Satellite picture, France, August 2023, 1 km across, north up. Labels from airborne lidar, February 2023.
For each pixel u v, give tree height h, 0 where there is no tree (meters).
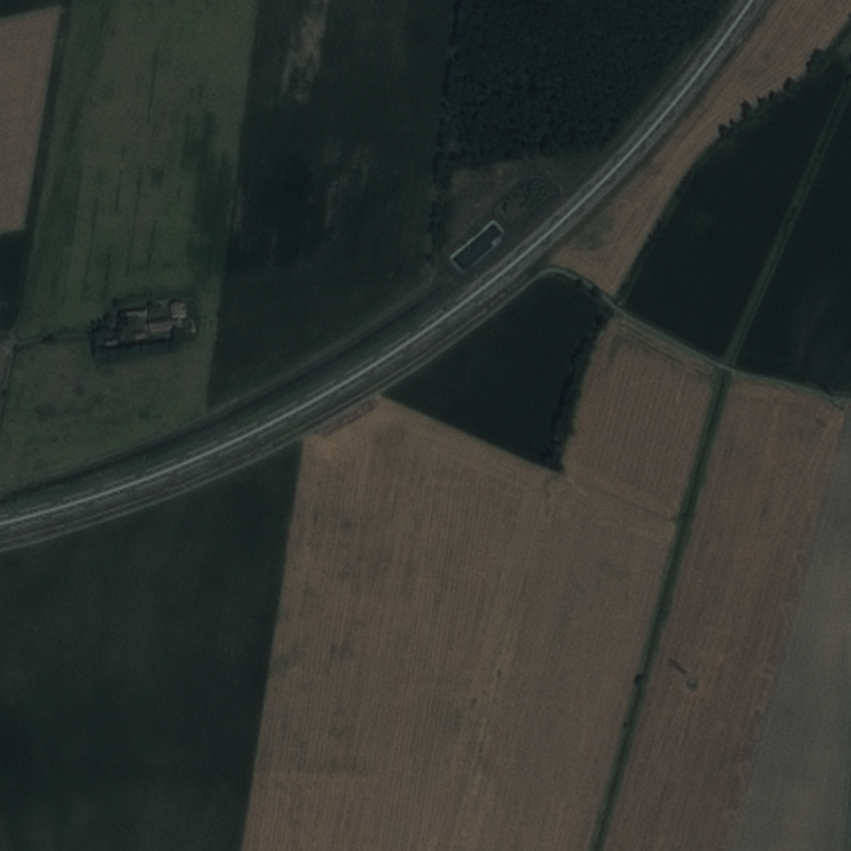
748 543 0
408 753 0
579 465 0
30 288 0
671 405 0
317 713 0
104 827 0
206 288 0
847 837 0
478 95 24
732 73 0
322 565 0
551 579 0
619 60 25
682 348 0
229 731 0
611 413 0
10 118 0
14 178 0
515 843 0
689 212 0
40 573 0
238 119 0
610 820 0
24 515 0
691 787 0
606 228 0
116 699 0
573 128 27
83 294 0
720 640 0
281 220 0
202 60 0
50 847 0
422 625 0
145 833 0
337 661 0
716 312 0
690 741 0
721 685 0
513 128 25
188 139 0
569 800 0
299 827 0
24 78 0
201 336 0
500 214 0
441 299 0
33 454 0
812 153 0
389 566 0
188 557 0
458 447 0
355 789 0
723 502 0
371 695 0
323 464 0
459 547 0
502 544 0
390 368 0
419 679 0
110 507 0
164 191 0
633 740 0
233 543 0
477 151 17
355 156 0
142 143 0
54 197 0
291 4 0
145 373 0
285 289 0
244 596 0
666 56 19
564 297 0
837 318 0
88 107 0
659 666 0
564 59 25
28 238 0
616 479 0
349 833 0
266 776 0
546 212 0
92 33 0
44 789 0
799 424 0
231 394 0
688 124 0
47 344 8
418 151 0
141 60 0
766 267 0
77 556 0
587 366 20
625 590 0
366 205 0
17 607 0
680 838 0
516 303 0
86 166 0
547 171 0
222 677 0
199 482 0
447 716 0
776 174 0
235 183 0
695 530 0
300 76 0
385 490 0
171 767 0
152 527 0
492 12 23
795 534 0
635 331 0
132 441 0
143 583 0
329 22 0
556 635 0
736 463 0
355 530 0
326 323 0
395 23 0
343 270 0
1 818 0
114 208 0
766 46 0
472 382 0
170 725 0
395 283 0
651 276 0
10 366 0
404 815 0
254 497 0
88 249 0
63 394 0
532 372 0
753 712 0
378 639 0
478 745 0
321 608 0
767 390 0
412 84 0
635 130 0
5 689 0
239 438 0
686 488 0
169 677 0
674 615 0
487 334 0
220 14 0
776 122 0
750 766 0
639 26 23
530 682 0
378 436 0
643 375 0
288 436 0
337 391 0
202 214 0
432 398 0
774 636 0
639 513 0
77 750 0
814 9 0
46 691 0
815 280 0
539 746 0
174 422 0
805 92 0
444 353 0
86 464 0
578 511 0
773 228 0
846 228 0
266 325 0
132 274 0
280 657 0
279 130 0
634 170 0
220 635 0
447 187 12
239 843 0
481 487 0
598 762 0
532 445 0
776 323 0
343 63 0
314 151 0
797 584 0
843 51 0
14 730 0
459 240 0
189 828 0
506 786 0
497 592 0
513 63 28
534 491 0
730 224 0
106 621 0
